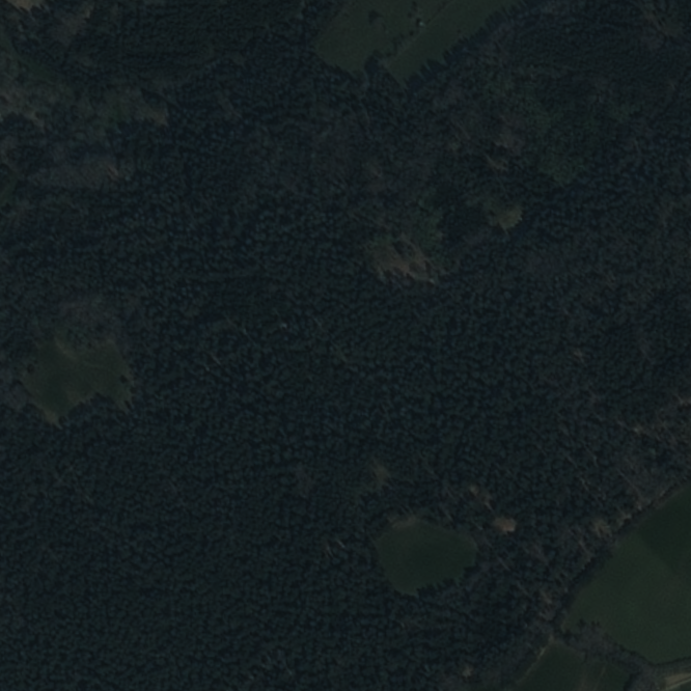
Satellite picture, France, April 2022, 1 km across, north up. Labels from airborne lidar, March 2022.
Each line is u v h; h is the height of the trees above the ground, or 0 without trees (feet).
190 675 108
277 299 30
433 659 102
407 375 107
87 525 101
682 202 102
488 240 87
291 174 66
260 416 34
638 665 72
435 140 71
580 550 87
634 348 79
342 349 113
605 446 97
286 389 57
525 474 46
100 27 42
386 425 119
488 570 97
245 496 96
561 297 91
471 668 84
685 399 52
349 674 56
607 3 80
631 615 0
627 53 61
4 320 71
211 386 95
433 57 0
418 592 0
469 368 102
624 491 109
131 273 101
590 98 69
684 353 84
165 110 87
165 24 86
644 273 77
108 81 76
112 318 100
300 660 103
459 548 0
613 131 61
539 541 59
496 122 74
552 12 83
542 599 59
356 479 88
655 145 98
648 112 65
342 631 49
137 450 98
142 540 98
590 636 90
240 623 103
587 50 85
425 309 81
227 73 90
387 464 94
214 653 91
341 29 0
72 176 103
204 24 59
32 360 68
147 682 108
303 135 65
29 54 101
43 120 53
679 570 0
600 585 0
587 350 86
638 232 103
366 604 114
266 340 102
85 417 72
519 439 106
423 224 70
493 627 67
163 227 132
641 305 81
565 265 93
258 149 89
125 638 98
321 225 103
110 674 98
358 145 73
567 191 27
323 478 90
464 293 104
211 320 58
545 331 94
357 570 93
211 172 86
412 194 80
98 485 94
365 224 58
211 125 79
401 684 101
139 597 101
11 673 92
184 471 90
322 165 71
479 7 0
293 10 76
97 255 58
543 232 38
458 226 54
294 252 103
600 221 45
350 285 103
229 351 103
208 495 95
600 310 36
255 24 76
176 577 92
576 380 72
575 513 51
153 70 94
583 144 70
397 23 0
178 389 52
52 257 48
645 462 87
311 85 88
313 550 89
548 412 123
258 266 44
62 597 97
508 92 51
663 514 0
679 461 93
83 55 88
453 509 74
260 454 101
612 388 82
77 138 49
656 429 74
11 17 73
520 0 0
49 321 78
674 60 87
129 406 0
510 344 107
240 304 43
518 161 39
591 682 0
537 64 66
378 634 108
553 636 77
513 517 31
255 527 94
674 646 0
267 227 115
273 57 86
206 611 94
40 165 43
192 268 105
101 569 97
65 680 103
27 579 101
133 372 64
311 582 102
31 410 68
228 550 102
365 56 0
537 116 54
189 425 96
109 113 69
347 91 69
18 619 83
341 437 38
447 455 108
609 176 102
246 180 97
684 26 75
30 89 70
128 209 87
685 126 91
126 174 109
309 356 56
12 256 86
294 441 94
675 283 85
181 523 94
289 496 56
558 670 0
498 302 86
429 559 0
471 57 61
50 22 85
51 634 105
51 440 89
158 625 88
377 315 105
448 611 30
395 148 74
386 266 0
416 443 99
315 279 105
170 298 100
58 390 0
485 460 109
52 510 92
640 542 0
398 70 0
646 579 0
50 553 89
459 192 33
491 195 71
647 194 108
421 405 38
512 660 117
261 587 87
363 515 92
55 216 35
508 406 115
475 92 73
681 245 98
